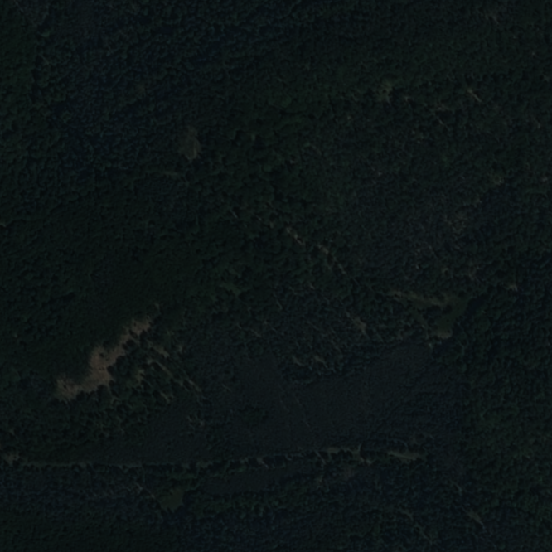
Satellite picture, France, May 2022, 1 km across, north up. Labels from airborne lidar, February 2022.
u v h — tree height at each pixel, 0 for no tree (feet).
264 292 87
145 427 35
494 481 101
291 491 91
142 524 82
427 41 77
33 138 101
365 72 82
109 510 85
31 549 78
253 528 95
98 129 112
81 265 94
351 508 93
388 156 109
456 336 73
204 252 99
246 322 86
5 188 114
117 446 39
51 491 77
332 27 77
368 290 112
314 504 78
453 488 51
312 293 101
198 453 37
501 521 105
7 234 59
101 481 32
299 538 82
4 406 97
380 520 32
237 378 51
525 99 102
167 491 81
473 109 97
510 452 84
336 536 87
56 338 91
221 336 81
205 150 44
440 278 99
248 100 71
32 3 99
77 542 79
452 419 64
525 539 93
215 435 36
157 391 56
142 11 99
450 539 104
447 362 76
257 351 84
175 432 41
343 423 76
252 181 114
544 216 104
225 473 60
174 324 83
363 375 73
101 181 87
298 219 116
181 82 41
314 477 68
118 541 86
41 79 105
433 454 67
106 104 97
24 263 96
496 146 97
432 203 82
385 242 100
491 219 69
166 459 30
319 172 97
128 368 103
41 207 107
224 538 99
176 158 76
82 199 82
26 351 75
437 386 83
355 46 77
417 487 36
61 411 78
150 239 90
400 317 107
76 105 119
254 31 97
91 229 92
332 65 84
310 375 90
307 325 90
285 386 73
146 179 44
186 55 71
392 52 70
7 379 94
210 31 103
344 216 94
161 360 96
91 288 79
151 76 93
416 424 60
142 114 31
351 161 97
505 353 99
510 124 100
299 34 71
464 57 76
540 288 93
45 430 79
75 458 43
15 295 94
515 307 126
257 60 76
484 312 102
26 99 73
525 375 111
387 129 95
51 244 104
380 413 80
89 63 104
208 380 56
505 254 99
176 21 113
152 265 71
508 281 109
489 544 88
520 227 97
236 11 93
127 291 80
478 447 105
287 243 101
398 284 105
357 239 92
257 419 60
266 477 37
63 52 93
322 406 73
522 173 115
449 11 52
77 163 32
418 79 87
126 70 113
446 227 104
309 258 108
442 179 100
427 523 86
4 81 81
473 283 116
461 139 95
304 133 96
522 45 103
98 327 73
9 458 0
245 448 67
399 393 64
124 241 80
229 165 98
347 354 89
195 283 71
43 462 31
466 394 110
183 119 75
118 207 93
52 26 51
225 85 79
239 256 104
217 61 76
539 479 84
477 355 79
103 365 0
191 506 84
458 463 89
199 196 44
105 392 98
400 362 78
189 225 85
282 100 108
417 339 100
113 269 70
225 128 75
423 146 103
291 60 72
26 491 95
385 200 96
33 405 71
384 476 91
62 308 103
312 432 65
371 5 68
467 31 72
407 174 98
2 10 64
